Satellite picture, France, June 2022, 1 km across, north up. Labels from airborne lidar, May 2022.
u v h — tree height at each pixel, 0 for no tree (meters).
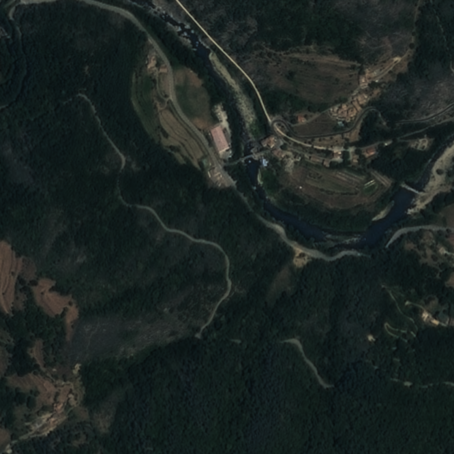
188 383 9
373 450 17
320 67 0
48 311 0
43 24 6
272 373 20
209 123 0
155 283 13
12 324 18
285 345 14
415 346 19
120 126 17
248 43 11
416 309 14
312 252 0
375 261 23
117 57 17
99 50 8
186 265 5
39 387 0
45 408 7
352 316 12
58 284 9
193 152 0
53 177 9
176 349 26
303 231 0
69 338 0
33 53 24
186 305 12
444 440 21
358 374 33
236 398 7
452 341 16
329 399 13
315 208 7
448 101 8
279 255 10
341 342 12
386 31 9
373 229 0
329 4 7
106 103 23
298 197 11
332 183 0
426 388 9
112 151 6
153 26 18
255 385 29
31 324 12
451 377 11
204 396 10
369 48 0
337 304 25
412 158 12
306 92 0
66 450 14
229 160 8
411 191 0
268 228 9
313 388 20
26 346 16
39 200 8
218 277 8
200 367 18
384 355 11
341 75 0
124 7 8
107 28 7
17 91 25
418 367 18
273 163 7
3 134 15
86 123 9
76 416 7
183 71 0
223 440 14
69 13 10
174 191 15
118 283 6
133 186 15
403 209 0
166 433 11
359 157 6
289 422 16
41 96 20
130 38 10
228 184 0
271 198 0
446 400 13
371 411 16
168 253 0
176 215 7
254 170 0
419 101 7
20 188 12
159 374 16
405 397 16
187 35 0
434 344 20
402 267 14
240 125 8
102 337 0
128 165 7
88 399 13
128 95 22
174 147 10
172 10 0
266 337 9
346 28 10
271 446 18
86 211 8
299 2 11
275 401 22
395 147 8
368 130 17
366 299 10
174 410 16
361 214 10
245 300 13
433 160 0
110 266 11
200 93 0
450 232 9
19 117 12
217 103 6
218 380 16
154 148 23
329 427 24
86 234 14
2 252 0
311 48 0
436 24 6
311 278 9
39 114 10
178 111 0
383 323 14
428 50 8
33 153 12
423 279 7
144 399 8
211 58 0
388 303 14
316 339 10
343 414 16
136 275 0
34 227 11
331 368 23
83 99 9
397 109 9
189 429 14
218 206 14
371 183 0
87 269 5
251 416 14
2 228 6
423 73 8
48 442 17
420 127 11
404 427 19
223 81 0
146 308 6
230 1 9
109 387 15
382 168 18
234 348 21
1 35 0
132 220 13
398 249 6
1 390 15
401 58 0
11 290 0
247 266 10
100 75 10
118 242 13
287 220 0
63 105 13
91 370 15
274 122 0
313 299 17
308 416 19
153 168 17
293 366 6
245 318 15
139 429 14
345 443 12
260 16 7
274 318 18
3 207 14
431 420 20
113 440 6
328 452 17
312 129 0
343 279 18
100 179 12
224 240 10
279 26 6
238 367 20
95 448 6
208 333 19
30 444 8
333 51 8
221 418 15
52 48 12
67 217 10
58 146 14
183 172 17
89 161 9
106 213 15
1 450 0
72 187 11
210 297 11
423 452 14
